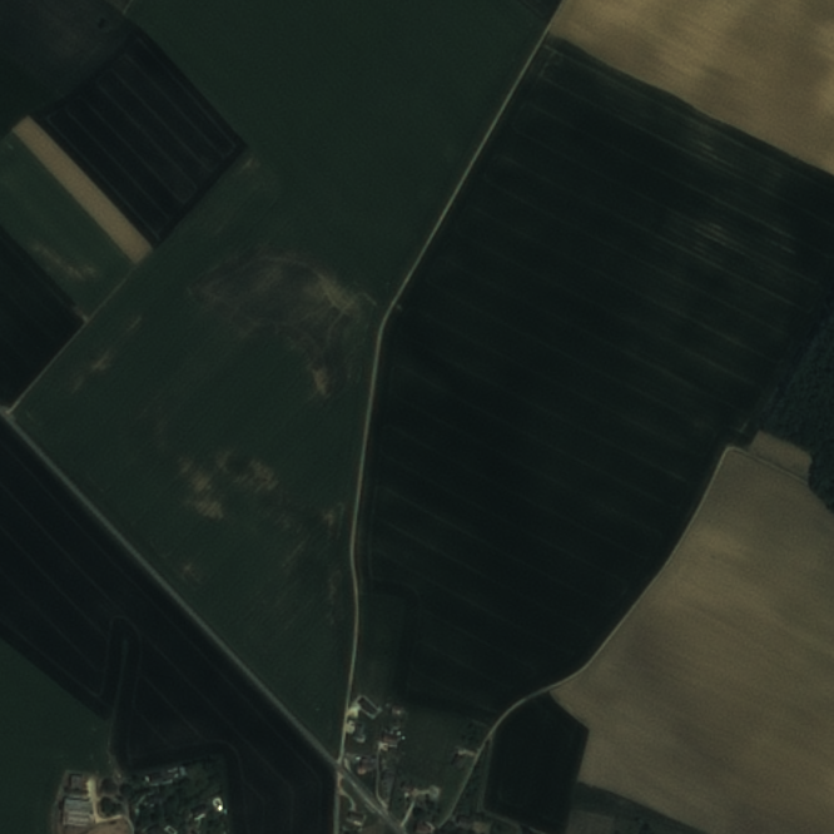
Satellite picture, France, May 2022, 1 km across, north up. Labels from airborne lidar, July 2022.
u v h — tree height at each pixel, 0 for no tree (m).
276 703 0
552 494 0
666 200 0
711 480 0
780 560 0
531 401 0
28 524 0
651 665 0
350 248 0
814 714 0
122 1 0
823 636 0
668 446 0
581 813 0
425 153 0
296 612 0
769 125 0
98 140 0
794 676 0
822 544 0
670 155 0
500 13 0
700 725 0
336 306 0
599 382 0
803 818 0
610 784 0
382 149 0
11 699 0
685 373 0
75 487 0
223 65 0
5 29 0
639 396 0
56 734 0
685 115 0
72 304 0
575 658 0
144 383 0
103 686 0
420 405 0
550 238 0
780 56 0
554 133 0
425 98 0
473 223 0
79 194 0
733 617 0
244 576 0
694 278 0
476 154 0
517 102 0
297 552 0
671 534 0
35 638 0
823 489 17
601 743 0
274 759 0
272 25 0
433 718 0
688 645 0
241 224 0
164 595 0
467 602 0
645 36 0
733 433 0
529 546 0
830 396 19
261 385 0
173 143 0
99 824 0
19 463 0
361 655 0
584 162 0
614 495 0
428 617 0
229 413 0
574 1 0
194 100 0
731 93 0
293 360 0
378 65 0
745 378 0
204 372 0
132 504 0
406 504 0
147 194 0
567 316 0
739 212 0
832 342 25
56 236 0
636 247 0
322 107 0
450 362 0
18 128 0
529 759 0
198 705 0
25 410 0
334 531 0
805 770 0
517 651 0
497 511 0
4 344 0
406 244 0
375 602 0
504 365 0
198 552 0
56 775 0
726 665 0
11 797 0
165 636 0
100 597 0
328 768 0
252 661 0
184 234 0
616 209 0
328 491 0
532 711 0
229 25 0
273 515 0
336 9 0
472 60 0
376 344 0
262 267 0
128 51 0
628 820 0
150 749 0
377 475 0
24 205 0
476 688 0
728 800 0
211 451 0
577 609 0
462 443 0
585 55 0
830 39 0
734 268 0
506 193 0
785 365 0
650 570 0
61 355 0
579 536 0
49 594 0
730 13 0
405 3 0
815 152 0
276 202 0
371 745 0
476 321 0
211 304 0
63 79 0
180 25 0
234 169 0
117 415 0
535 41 0
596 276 0
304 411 0
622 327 0
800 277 0
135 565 0
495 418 0
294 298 0
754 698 0
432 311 0
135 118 0
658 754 0
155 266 0
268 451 0
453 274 0
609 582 0
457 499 0
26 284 0
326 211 0
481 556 0
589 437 0
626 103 0
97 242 0
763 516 0
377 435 0
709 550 0
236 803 0
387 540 0
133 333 0
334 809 0
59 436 0
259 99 0
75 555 0
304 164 0
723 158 0
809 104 0
